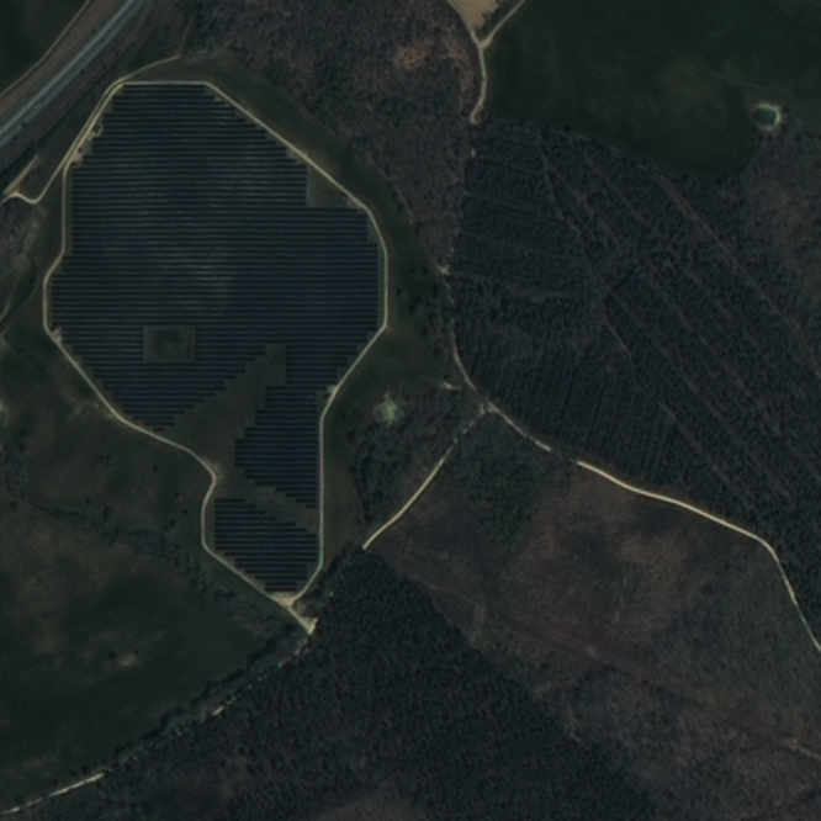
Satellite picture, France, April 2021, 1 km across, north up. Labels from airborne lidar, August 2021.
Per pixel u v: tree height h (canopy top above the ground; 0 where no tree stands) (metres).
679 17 0
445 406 14
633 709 16
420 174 13
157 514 0
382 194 0
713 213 12
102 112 0
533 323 19
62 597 0
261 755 22
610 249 8
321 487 0
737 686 19
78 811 9
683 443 21
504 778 17
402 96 15
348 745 20
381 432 16
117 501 0
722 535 0
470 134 15
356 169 0
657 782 15
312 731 21
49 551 0
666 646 22
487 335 14
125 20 0
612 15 0
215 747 15
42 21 0
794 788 16
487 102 0
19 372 0
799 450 17
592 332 14
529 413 13
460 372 11
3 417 0
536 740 19
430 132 11
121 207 0
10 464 13
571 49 0
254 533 0
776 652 21
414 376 0
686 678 15
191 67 0
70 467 0
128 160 0
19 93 0
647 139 0
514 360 15
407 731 18
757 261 7
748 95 0
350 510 0
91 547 0
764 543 10
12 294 0
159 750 17
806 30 0
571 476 8
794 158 15
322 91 13
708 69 0
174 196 0
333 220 0
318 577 0
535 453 14
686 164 0
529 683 11
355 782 19
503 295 19
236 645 0
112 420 0
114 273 0
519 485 14
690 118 0
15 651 0
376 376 0
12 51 0
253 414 0
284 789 12
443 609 0
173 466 0
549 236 14
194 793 7
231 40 10
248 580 0
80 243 0
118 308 0
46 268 0
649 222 20
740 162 0
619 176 18
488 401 17
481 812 18
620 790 21
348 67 9
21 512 8
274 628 19
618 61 0
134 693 0
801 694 18
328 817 21
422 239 11
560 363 17
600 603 0
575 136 15
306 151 0
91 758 0
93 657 0
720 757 9
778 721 17
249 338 0
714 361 18
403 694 21
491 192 15
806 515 21
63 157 0
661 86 0
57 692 0
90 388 0
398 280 0
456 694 17
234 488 0
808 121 0
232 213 0
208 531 0
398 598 22
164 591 0
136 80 0
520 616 0
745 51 0
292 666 12
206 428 0
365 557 21
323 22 7
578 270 8
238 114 0
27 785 0
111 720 0
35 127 0
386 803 23
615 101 0
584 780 21
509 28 0
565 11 0
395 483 22
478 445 13
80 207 0
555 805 20
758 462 12
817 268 14
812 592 21
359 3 7
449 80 11
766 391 16
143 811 15
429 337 12
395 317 0
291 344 0
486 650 9
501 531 11
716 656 15
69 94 0
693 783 16
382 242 0
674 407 17
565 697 15
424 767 17
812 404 17
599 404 12
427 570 0
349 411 0
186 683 0
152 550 18
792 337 17
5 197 0
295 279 0
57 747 0
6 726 0
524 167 13
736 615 20
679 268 16
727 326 19
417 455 14
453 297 12
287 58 12
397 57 0
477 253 15
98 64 0
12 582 0
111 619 0
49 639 0
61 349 0
